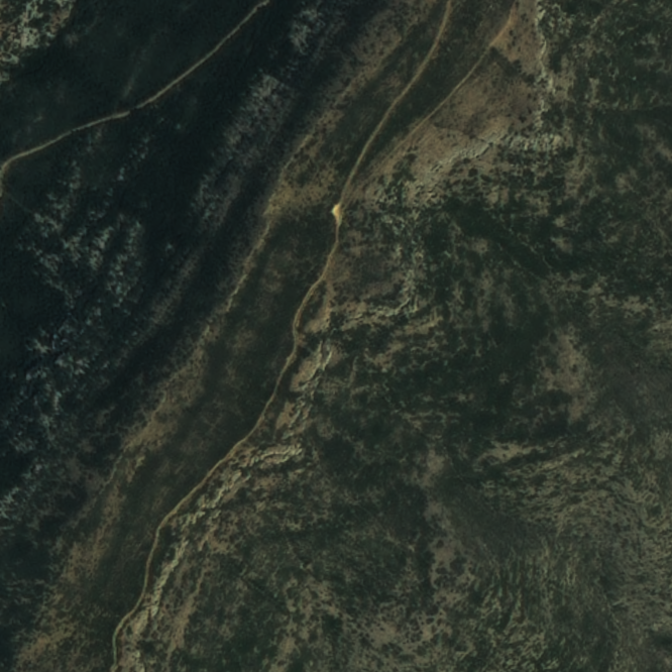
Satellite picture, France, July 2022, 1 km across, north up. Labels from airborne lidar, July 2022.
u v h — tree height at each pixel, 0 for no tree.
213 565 0
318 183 0
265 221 0
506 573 0
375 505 0
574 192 0
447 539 0
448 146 0
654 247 0
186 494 0
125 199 6
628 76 0
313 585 0
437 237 0
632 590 0
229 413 0
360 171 0
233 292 0
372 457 0
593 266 0
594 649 0
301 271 0
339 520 0
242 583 0
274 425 0
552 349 0
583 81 0
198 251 0
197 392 0
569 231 0
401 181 0
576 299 0
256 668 0
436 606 0
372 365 0
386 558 0
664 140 0
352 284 0
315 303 0
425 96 0
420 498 0
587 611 0
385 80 0
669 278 0
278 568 0
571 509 0
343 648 0
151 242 7
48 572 0
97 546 0
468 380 0
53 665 0
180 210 7
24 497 0
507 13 0
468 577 0
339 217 0
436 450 0
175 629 0
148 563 0
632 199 0
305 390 0
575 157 0
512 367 0
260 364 0
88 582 0
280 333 0
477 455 0
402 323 0
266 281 0
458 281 0
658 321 0
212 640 0
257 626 0
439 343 0
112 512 0
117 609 0
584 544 0
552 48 0
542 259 0
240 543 0
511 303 0
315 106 0
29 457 6
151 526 0
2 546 0
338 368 0
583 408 0
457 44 0
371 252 0
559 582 0
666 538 0
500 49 0
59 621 0
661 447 0
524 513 0
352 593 0
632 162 0
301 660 0
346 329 0
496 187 0
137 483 0
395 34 0
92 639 0
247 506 0
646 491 0
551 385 0
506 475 0
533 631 0
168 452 0
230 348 0
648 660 0
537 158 0
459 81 0
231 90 5
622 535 0
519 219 0
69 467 0
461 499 0
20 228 6
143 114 7
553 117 0
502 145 0
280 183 0
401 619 0
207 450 0
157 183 6
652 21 0
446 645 0
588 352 0
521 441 0
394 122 0
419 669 0
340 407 0
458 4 0
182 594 0
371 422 0
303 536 0
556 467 0
